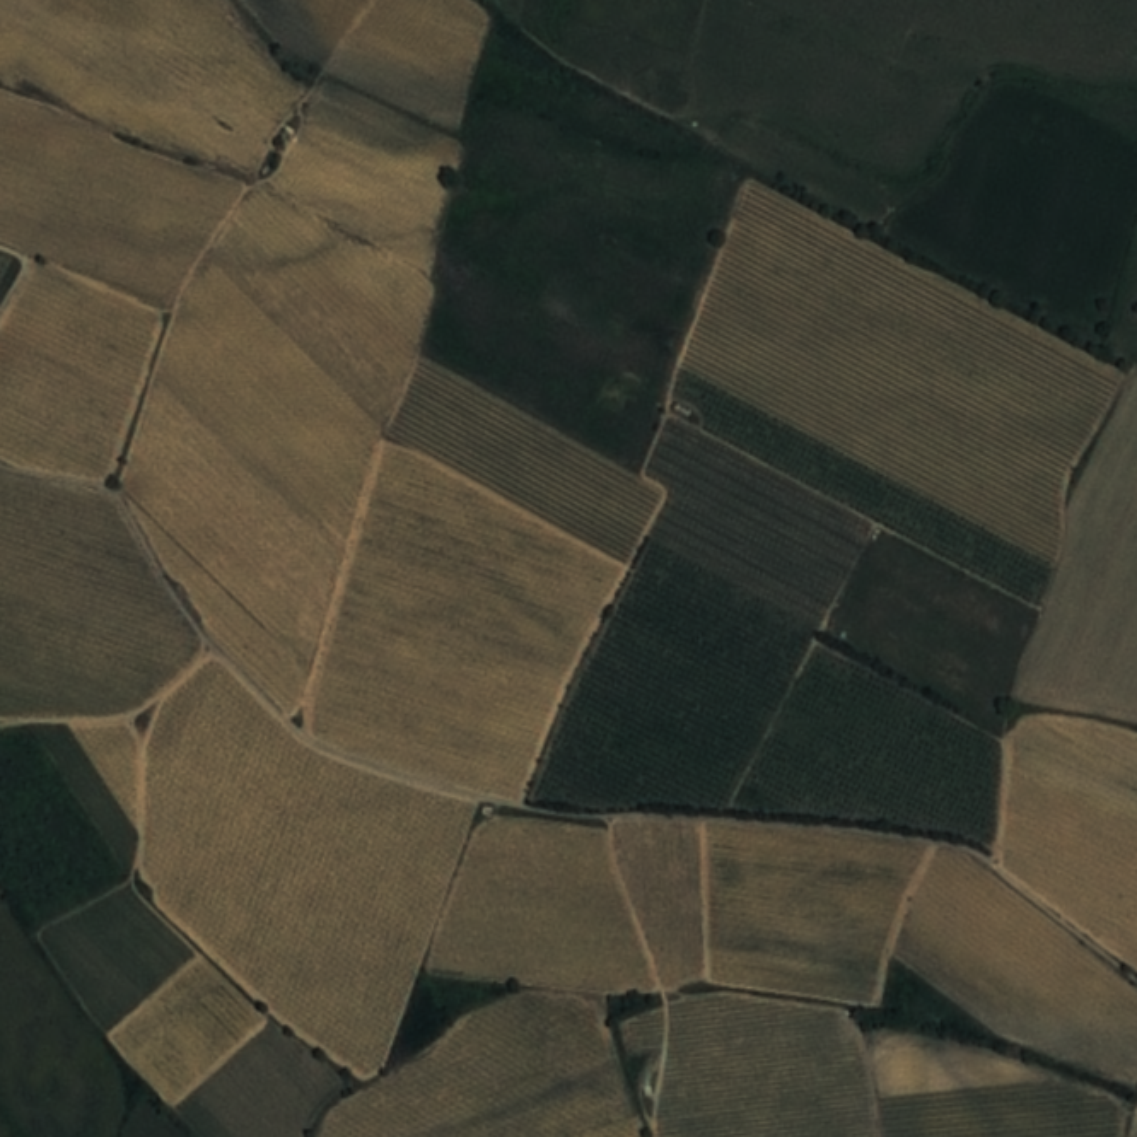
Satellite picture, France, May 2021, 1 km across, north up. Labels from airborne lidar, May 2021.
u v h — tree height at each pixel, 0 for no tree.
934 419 0
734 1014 0
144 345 0
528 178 0
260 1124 0
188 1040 0
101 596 0
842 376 0
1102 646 0
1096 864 0
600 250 0
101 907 0
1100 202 0
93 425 0
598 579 0
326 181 0
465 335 0
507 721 0
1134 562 0
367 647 0
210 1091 0
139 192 0
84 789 0
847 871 0
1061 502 0
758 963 0
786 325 0
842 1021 0
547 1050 0
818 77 0
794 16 0
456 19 0
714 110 0
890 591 0
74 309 0
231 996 0
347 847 0
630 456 0
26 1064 0
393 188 0
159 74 0
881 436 0
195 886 0
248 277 0
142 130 0
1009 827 0
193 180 0
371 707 0
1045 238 0
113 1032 0
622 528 0
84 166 0
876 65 0
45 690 0
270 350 0
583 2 0
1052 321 9
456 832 0
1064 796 0
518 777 0
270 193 0
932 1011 8
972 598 0
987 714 0
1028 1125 0
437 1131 0
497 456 0
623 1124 0
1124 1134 0
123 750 0
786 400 0
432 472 0
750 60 0
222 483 0
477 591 0
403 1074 0
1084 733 0
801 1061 0
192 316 0
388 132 0
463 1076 0
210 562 0
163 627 0
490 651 0
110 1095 0
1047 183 0
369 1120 0
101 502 0
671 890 0
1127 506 0
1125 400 0
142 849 0
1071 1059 0
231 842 0
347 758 0
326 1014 0
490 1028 0
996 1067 0
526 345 0
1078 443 0
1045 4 0
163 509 0
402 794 0
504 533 0
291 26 0
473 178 0
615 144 0
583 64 0
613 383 0
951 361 0
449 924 0
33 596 0
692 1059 0
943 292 0
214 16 0
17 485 0
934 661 0
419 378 0
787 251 0
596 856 0
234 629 0
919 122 0
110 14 0
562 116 0
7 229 0
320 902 0
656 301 0
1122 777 0
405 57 0
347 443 0
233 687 0
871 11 0
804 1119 0
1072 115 0
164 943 0
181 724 0
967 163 0
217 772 0
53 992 0
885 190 0
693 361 0
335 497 0
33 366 0
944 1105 0
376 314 0
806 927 0
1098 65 0
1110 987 0
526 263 0
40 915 0
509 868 0
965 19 0
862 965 0
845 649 19
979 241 0
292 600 0
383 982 0
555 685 0
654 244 0
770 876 0
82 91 0
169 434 0
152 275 0
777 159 0
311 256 0
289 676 0
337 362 0
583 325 0
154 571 0
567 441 0
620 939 0
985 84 9
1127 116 0
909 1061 0
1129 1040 0
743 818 16
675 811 16
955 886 0
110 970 0
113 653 0
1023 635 0
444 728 0
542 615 0
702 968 0
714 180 0
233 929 0
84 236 0
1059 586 0
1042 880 0
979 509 0
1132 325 0
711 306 0
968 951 0
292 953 0
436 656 0
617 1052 0
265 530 0
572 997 0
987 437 0
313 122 0
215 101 0
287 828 0
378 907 0
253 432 0
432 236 0
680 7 0
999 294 10
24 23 0
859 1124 0
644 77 0
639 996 9
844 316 0
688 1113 0
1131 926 0
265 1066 0
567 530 0
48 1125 0
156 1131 0
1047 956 0
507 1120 0
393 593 0
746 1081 0
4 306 0
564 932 0
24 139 0
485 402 0
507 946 0
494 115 0
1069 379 0
